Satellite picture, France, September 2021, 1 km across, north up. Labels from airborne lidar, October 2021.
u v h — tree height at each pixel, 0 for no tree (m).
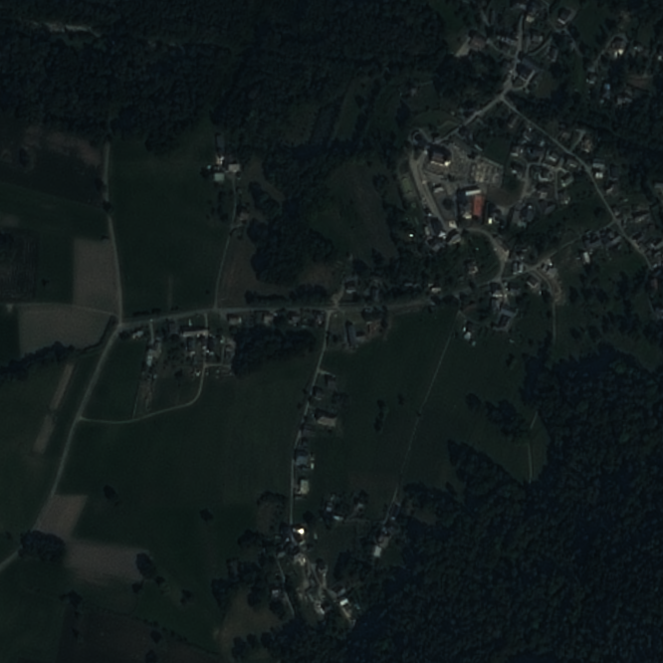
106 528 0
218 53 22
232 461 0
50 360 12
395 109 0
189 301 0
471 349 0
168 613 0
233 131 24
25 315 0
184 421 0
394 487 0
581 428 17
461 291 0
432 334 0
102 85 25
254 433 0
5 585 0
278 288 20
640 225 0
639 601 25
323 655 10
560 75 18
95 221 0
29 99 30
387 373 0
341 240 0
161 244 0
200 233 0
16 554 0
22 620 0
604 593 26
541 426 0
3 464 0
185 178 0
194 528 0
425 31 23
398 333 0
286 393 0
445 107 0
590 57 12
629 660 24
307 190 25
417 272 13
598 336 16
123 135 28
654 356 0
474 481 25
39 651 0
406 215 7
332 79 22
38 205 0
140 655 0
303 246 26
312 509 0
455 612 22
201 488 0
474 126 0
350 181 0
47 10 25
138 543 0
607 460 34
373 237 0
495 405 0
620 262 0
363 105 14
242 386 0
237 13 20
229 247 0
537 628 16
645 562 27
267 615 0
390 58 23
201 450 0
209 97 20
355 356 0
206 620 0
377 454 0
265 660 0
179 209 0
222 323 0
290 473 0
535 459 0
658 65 8
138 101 27
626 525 33
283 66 22
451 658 17
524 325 0
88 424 0
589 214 0
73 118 10
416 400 0
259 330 0
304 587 0
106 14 26
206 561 0
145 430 0
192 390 0
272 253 26
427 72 8
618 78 22
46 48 21
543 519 23
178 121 26
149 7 23
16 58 22
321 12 23
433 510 24
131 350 0
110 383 0
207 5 22
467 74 15
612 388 22
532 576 26
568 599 13
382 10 30
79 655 0
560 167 0
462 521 26
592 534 21
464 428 0
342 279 0
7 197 0
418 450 0
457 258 6
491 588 29
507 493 32
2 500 0
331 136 13
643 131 10
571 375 20
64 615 0
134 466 0
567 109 19
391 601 32
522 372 0
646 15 27
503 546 26
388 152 16
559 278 0
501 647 19
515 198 0
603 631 9
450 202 7
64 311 0
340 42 26
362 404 0
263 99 22
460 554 29
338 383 0
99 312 0
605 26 0
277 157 21
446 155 0
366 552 9
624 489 13
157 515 0
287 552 6
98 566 0
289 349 24
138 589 14
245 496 0
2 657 0
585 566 25
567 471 25
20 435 0
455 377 0
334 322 0
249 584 15
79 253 0
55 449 0
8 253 20
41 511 0
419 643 18
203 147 0
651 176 23
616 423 21
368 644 18
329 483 0
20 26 12
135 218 0
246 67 11
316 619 0
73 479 0
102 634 0
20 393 0
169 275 0
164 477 0
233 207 0
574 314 0
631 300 12
